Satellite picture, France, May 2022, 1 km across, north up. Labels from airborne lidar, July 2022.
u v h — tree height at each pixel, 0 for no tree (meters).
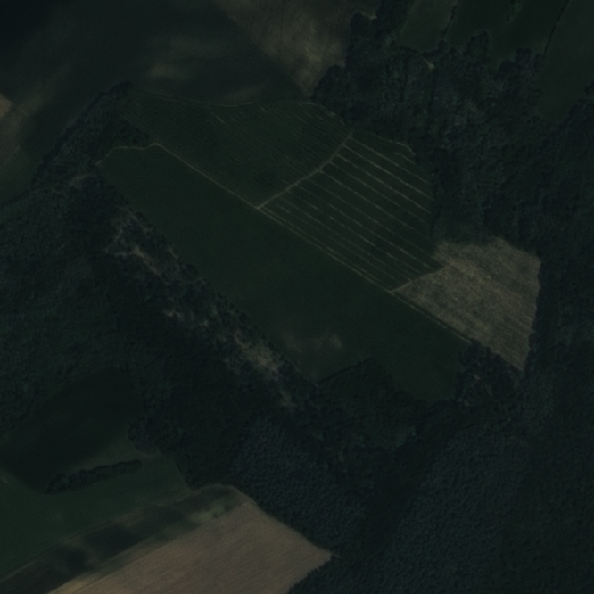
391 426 16
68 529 0
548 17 0
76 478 9
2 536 0
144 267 26
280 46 0
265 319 0
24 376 19
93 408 0
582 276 17
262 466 29
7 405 23
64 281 19
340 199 0
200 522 0
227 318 26
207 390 27
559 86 0
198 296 22
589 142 15
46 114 0
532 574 21
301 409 26
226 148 0
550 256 17
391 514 25
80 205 22
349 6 0
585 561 14
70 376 16
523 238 24
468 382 28
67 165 23
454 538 29
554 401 16
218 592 0
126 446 0
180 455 18
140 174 0
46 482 0
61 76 0
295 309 0
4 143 0
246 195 0
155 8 0
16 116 0
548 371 12
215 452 20
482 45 9
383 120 22
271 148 0
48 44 0
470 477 24
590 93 18
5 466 0
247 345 13
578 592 13
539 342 27
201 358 29
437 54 16
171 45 0
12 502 0
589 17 0
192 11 0
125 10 0
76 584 0
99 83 0
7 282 22
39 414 0
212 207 0
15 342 23
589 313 15
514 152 18
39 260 21
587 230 12
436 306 0
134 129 15
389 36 16
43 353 19
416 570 27
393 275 0
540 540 15
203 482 13
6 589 0
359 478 30
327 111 12
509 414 10
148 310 26
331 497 32
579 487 17
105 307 15
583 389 17
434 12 0
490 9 0
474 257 0
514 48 0
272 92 0
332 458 30
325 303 0
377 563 18
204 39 0
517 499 15
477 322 0
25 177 0
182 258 10
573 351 18
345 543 25
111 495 0
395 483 29
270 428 31
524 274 0
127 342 17
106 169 0
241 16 0
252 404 20
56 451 0
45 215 25
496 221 28
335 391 15
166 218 0
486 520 15
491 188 20
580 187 20
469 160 15
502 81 23
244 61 0
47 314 18
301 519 27
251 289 0
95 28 0
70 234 19
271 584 0
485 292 0
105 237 26
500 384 27
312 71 0
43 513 0
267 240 0
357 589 17
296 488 33
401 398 6
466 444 23
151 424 19
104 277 23
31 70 0
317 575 12
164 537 0
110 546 0
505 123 21
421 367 0
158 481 0
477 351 25
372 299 0
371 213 0
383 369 9
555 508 15
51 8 0
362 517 23
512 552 18
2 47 0
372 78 20
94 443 0
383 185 0
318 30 0
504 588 20
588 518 12
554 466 16
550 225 24
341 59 0
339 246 0
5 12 0
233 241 0
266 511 14
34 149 0
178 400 24
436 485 25
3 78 0
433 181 10
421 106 18
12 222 15
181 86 0
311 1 0
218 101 0
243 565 0
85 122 17
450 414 25
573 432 16
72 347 11
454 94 19
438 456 30
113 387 0
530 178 11
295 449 32
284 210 0
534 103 19
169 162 0
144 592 0
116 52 0
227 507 0
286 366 16
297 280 0
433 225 10
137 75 0
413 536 24
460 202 20
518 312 0
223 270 0
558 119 0
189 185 0
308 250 0
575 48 0
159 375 23
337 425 27
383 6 11
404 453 34
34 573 0
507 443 20
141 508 0
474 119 21
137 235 26
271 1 0
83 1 0
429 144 22
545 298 20
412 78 20
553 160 19
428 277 0
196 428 23
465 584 24
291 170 0
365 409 13
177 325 28
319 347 0
